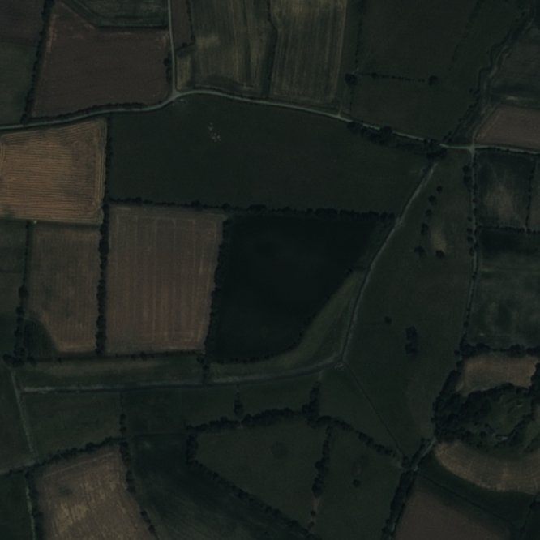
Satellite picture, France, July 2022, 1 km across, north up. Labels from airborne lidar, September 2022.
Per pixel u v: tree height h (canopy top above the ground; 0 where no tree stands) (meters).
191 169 0
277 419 17
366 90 0
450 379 12
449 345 0
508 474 0
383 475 0
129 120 0
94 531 0
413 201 0
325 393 0
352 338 0
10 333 0
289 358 0
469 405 17
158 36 0
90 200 0
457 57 0
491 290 0
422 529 0
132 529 0
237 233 0
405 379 0
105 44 0
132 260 0
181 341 0
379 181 0
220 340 0
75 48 0
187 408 0
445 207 0
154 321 0
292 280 0
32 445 0
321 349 0
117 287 0
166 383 0
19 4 0
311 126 0
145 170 0
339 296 0
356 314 0
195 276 0
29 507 0
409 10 0
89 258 0
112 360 0
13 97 0
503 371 0
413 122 0
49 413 0
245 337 0
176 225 0
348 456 0
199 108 0
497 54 0
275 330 0
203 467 9
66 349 0
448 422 15
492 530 0
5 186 0
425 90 0
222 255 16
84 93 0
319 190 0
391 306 0
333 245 0
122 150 0
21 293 13
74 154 0
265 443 0
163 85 0
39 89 0
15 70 0
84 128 0
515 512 0
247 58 0
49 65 0
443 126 0
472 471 0
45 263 0
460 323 0
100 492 0
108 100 0
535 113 0
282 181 0
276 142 0
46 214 0
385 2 0
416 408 0
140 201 13
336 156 0
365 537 0
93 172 0
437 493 0
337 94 0
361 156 0
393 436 0
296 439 0
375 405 0
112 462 0
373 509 0
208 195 0
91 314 0
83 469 0
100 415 0
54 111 0
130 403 0
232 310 0
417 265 0
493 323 0
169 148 0
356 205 0
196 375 0
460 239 0
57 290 0
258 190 0
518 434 10
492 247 0
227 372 0
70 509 0
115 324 0
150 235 0
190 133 0
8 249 0
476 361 0
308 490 0
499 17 0
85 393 0
